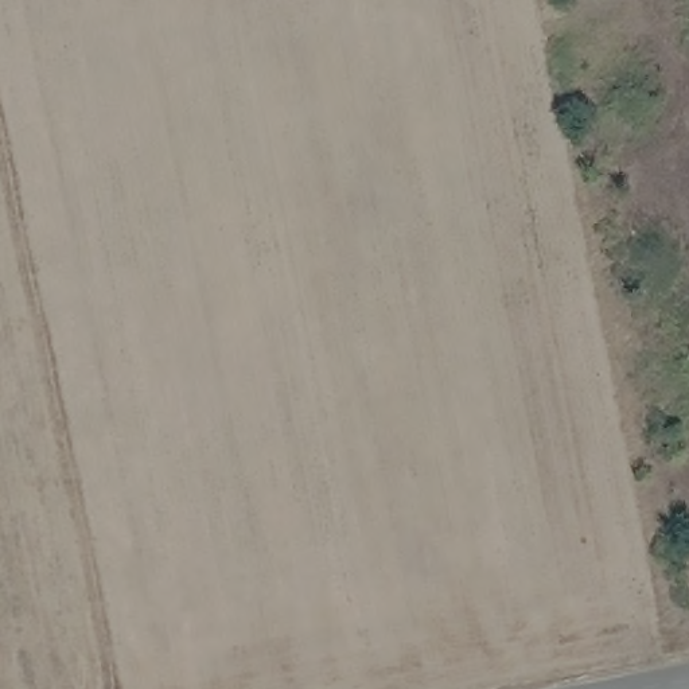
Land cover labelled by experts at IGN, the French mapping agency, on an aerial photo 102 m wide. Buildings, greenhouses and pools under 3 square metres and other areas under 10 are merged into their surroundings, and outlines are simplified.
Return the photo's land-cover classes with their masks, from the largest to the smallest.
<instances>
[{"label":"agricultural land","instance_id":"1","mask_svg":"<svg viewBox=\"0 0 689 689\"><path fill-rule=\"evenodd\" d=\"M554 94L546 73V40L536 13V0H0V689H568L689 665V649L665 651L651 587V560L649 541L643 538L641 528L632 458L627 455V444L619 428L611 361L600 331L592 275L587 264L584 226L573 199V186L581 178L576 159L571 156V143L557 126V116L552 110Z\"/></svg>","mask_w":689,"mask_h":689},{"label":"brushwood","instance_id":"2","mask_svg":"<svg viewBox=\"0 0 689 689\"><path fill-rule=\"evenodd\" d=\"M676 16L684 30V35L678 38V43L684 46L681 59L689 62V0H684V11L678 8ZM546 73L554 94L579 89L597 108V118L587 126L584 137L571 143V156L576 159L581 178L584 188L589 191V210L597 218L592 229L595 234H600V253L608 258L611 280H619L624 288L635 326H641V350L635 353L632 369H627V379L649 412L662 409L665 414L678 417V428L684 433L681 452L689 460V250H678L676 240L659 234L662 229L654 218L630 207L638 196L641 167L662 159L665 145L681 140V132L686 129L684 110H676L662 97V67L649 65V51H624L622 24L616 19L608 24H587L584 19L573 32H560L546 40Z\"/></svg>","mask_w":689,"mask_h":689},{"label":"herbaceous vegetation","instance_id":"3","mask_svg":"<svg viewBox=\"0 0 689 689\"><path fill-rule=\"evenodd\" d=\"M678 8L684 11V0H536V13L546 40L560 32H573L584 19L587 24H608L616 19L622 24L624 51H649V65L662 67V97L676 110H684L686 129L681 132V140L665 145L662 159L641 167L638 196L630 207L654 218L662 229L659 234L676 240L678 250H689V62L681 59L684 46L678 43V38L684 35V30L676 16ZM573 199L584 226L587 264L592 275L600 331L611 361L619 428L627 444V455L632 458L641 528L643 538L649 541L659 530V517L667 514L673 503H684L689 509V460L681 452L676 458H662L657 447H651L643 439L649 412L627 379V369H632L635 353L641 350V326H635L624 288L619 280H611L608 258L600 253V234H595L592 229L597 218L589 210V191L584 188L581 178L573 186ZM651 587L665 651L689 649V608H678L673 603L670 584L665 579V565L659 560H651Z\"/></svg>","mask_w":689,"mask_h":689},{"label":"deciduous trees","instance_id":"4","mask_svg":"<svg viewBox=\"0 0 689 689\"><path fill-rule=\"evenodd\" d=\"M552 110L557 116V126L571 143L584 137L587 126L597 118V108L579 89L554 94ZM643 439L651 447H657L662 458H676L681 452L684 433L678 428V417L665 414L662 409L649 412ZM651 560H659L665 565V579L670 584L673 603L678 608H689V509L684 503H673L667 514L659 517V530L649 541Z\"/></svg>","mask_w":689,"mask_h":689},{"label":"impervious surface","instance_id":"5","mask_svg":"<svg viewBox=\"0 0 689 689\"><path fill-rule=\"evenodd\" d=\"M568 689H689V665Z\"/></svg>","mask_w":689,"mask_h":689}]
</instances>
